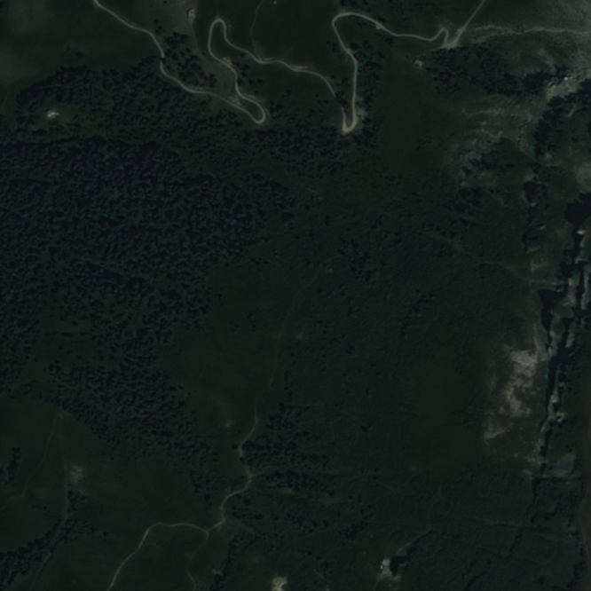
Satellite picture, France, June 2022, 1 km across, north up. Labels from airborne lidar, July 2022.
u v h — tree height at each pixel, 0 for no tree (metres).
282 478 22
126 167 7
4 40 0
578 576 8
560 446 0
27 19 0
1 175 24
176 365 0
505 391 0
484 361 0
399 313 0
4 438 0
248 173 6
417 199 8
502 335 0
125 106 15
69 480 0
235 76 0
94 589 0
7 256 23
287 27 0
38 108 23
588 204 0
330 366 0
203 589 0
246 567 0
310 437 20
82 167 31
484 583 6
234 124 10
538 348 0
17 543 0
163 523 0
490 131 0
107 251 15
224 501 0
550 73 0
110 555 0
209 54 0
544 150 19
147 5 0
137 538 0
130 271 29
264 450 19
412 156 0
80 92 14
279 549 6
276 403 0
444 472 0
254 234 13
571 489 0
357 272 21
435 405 0
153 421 7
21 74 0
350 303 10
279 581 0
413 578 0
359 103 8
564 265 0
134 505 0
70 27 0
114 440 12
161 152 29
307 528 19
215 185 30
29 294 23
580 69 0
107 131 12
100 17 0
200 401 0
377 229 8
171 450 13
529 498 0
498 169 11
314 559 5
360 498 8
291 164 8
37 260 23
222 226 6
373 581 0
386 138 0
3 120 18
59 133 11
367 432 21
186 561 0
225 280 0
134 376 15
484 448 0
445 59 11
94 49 0
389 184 8
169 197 31
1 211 32
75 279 9
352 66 0
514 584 5
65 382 14
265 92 0
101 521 0
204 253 29
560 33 0
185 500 0
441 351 0
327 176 6
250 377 0
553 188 0
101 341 8
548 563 0
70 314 9
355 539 11
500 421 0
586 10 0
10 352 10
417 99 0
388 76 0
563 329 0
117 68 0
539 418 0
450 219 6
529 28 0
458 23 0
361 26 10
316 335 0
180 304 24
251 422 0
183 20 0
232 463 0
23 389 6
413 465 0
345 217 7
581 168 0
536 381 0
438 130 0
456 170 0
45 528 0
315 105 0
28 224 12
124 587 0
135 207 29
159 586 0
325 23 0
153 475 0
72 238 10
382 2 0
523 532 6
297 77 0
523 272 0
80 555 0
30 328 16
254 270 0
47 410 0
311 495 21
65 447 0
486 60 10
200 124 18
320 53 0
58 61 0
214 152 9
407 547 0
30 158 29
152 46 0
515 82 19
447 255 5
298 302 0
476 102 0
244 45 0
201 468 8
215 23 0
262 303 0
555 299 28
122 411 8
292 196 14
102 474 0
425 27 0
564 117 10
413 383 0
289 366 0
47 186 28
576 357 7
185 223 15
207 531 0
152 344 21
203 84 7
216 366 0
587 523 0
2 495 0
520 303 0
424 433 0
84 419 11
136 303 28
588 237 0
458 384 0
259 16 0
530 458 0
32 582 0
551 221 0
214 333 0
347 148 23
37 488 0
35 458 0
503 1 0
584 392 0
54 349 0
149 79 10
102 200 27
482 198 23
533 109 0
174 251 24
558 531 0
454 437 0
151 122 13
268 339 0
